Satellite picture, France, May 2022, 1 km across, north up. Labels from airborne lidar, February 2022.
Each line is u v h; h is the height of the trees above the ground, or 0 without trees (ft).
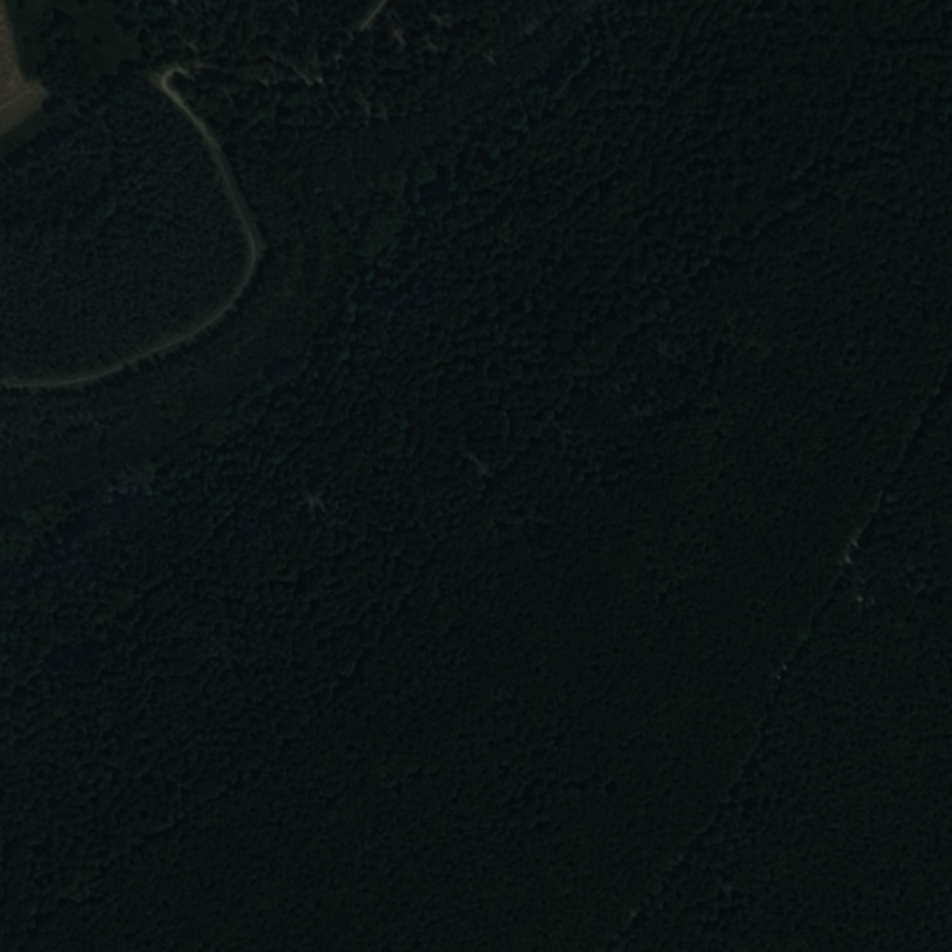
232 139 73
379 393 121
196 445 67
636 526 83
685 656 67
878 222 93
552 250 97
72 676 91
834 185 97
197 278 68
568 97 112
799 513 69
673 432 76
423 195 62
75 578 94
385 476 94
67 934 67
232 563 81
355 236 62
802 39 46
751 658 63
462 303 91
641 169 97
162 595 106
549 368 103
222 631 81
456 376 91
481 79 63
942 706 75
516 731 71
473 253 70
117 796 95
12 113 0
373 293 59
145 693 97
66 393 55
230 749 99
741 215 52
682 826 67
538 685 71
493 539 77
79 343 83
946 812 78
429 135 53
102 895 71
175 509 102
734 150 38
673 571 73
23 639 83
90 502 97
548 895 68
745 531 77
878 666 72
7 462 58
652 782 65
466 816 72
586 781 65
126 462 60
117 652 53
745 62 39
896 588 70
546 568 68
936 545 66
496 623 73
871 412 76
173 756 100
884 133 61
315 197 49
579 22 65
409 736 72
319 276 66
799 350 88
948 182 93
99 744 94
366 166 58
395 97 105
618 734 71
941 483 76
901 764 73
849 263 95
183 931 78
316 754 76
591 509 74
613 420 74
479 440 100
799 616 69
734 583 72
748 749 70
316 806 65
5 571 89
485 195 98
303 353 60
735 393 85
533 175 52
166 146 92
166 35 77
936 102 75
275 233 80
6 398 67
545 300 103
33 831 92
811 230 91
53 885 89
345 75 86
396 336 92
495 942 63
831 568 66
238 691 106
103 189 36
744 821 66
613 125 79
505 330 115
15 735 83
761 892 69
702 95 62
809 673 60
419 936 69
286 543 93
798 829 72
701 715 69
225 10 85
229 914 75
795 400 86
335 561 104
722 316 80
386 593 83
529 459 77
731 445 86
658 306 93
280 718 99
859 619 64
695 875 63
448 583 83
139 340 84
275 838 71
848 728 69
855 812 67
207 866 63
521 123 111
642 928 68
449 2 73
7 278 73
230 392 68
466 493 87
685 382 71
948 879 77
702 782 67
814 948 79
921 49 57
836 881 77
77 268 75
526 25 58
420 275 37
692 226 67
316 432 85
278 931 64
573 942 61
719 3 50
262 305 49
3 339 81
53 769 100
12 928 83
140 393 70
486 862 65
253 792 70
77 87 53
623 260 74
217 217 75
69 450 56
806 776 71
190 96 82
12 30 0
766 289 96
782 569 72
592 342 100
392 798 59
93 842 92
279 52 82
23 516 19
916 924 77
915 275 79
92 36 0
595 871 66
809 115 40
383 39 81
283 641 104
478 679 67
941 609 66
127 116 89
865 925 84
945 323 81
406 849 74
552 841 66
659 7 96
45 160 69
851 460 71
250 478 104
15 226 74
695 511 75
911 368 88
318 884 73
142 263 78
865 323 81
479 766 75
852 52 42
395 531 98
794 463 78
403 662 62
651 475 83
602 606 76
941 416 78
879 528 58
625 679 73
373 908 66
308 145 57
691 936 66
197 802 58
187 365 60
